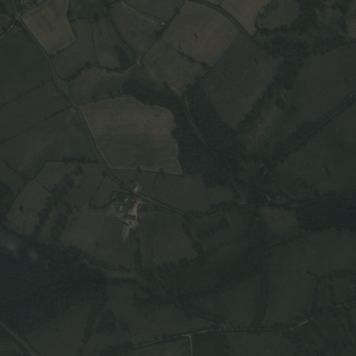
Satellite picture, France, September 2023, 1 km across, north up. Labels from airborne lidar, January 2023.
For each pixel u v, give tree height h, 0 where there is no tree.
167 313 0
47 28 0
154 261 0
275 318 0
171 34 0
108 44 0
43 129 0
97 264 16
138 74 0
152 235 0
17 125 0
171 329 0
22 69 0
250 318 0
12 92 0
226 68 0
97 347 0
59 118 0
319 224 15
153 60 0
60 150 0
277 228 0
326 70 0
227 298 0
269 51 11
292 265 0
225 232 0
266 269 14
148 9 0
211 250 0
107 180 0
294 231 0
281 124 0
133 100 0
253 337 0
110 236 0
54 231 0
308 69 0
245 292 0
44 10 0
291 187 0
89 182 0
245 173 0
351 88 0
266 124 0
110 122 0
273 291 0
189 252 0
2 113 0
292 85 17
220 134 8
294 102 0
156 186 0
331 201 17
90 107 0
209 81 0
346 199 20
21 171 0
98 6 0
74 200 0
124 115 0
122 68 6
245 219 0
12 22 9
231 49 0
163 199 0
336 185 0
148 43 0
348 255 0
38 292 7
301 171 0
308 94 0
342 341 0
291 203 15
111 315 9
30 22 0
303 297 0
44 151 0
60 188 14
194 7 0
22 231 0
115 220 0
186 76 0
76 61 0
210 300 0
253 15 0
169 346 0
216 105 0
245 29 0
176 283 0
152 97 22
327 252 0
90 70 0
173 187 0
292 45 12
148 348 0
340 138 0
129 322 0
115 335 0
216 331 19
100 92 0
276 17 0
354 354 0
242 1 0
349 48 0
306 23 21
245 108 0
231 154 15
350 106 13
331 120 15
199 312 15
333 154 0
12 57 0
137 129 0
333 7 9
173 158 0
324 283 0
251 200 19
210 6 0
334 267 0
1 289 22
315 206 13
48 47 0
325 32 0
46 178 0
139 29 0
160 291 0
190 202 0
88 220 0
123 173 0
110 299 0
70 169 0
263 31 11
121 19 0
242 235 0
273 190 0
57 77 0
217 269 0
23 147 0
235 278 17
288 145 20
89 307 0
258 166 0
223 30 0
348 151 0
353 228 16
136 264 15
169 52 0
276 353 0
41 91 0
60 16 0
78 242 0
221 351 0
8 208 8
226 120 0
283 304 0
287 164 0
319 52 11
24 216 0
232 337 0
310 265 0
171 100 8
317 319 13
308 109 0
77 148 0
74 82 0
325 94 0
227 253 0
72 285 7
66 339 0
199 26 0
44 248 10
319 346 0
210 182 11
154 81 0
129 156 0
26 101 0
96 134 0
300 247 0
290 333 19
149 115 0
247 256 0
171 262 0
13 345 0
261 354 0
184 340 0
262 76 0
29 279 19
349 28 0
